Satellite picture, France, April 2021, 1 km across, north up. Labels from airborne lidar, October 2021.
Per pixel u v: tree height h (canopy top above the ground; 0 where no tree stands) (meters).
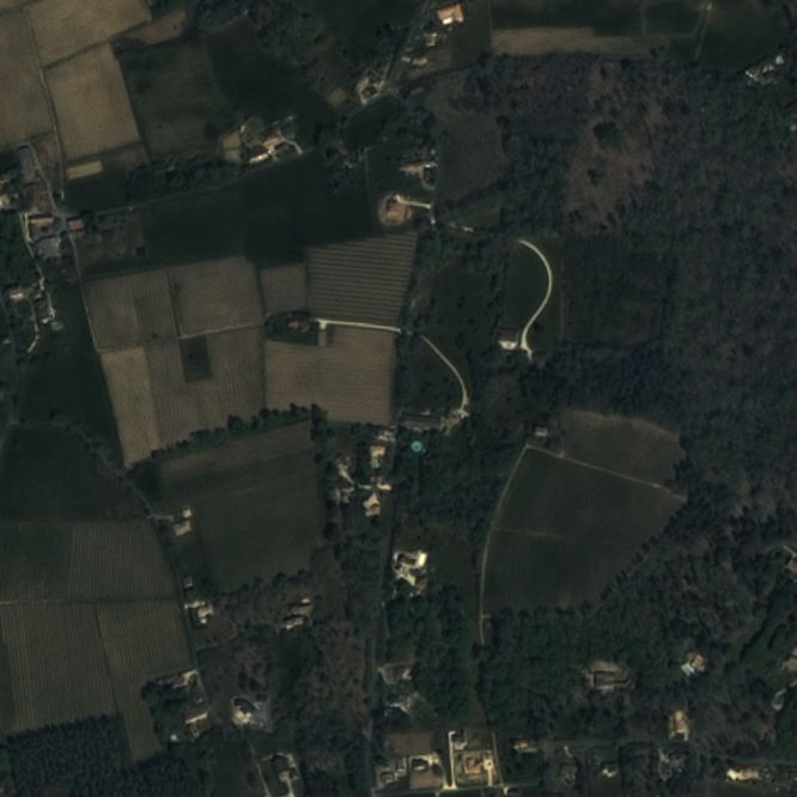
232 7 15
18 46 0
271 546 0
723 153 14
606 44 0
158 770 22
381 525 13
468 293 0
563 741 6
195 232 0
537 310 0
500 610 0
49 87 0
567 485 0
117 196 0
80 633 0
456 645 26
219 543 0
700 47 0
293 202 0
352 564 16
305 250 0
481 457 11
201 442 19
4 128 0
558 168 20
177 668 0
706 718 20
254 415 0
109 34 0
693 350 21
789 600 21
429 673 19
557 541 0
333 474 15
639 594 11
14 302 14
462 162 0
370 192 0
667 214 17
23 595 0
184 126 0
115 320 0
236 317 0
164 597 0
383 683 9
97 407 0
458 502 10
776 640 11
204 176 21
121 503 0
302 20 16
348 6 0
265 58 0
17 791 16
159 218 0
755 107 18
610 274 13
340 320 0
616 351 13
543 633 25
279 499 0
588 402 14
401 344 14
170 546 11
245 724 6
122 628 0
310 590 11
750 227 18
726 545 21
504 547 0
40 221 0
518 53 0
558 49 0
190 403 0
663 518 0
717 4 0
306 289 0
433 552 7
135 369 0
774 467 20
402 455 10
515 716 12
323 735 14
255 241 0
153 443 0
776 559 10
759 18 0
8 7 0
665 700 17
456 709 24
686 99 19
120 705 0
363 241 0
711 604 13
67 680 0
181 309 0
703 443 19
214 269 0
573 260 15
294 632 8
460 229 12
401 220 0
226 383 0
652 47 0
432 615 18
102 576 0
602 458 0
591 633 19
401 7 0
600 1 0
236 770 0
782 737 17
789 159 24
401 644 20
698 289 17
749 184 22
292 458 0
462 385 0
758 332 15
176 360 0
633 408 19
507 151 16
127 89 0
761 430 18
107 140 0
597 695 14
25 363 7
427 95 0
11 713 0
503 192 18
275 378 0
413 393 12
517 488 0
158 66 0
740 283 17
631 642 22
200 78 0
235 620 15
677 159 14
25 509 0
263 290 0
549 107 7
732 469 19
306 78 13
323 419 11
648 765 15
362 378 0
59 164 0
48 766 21
